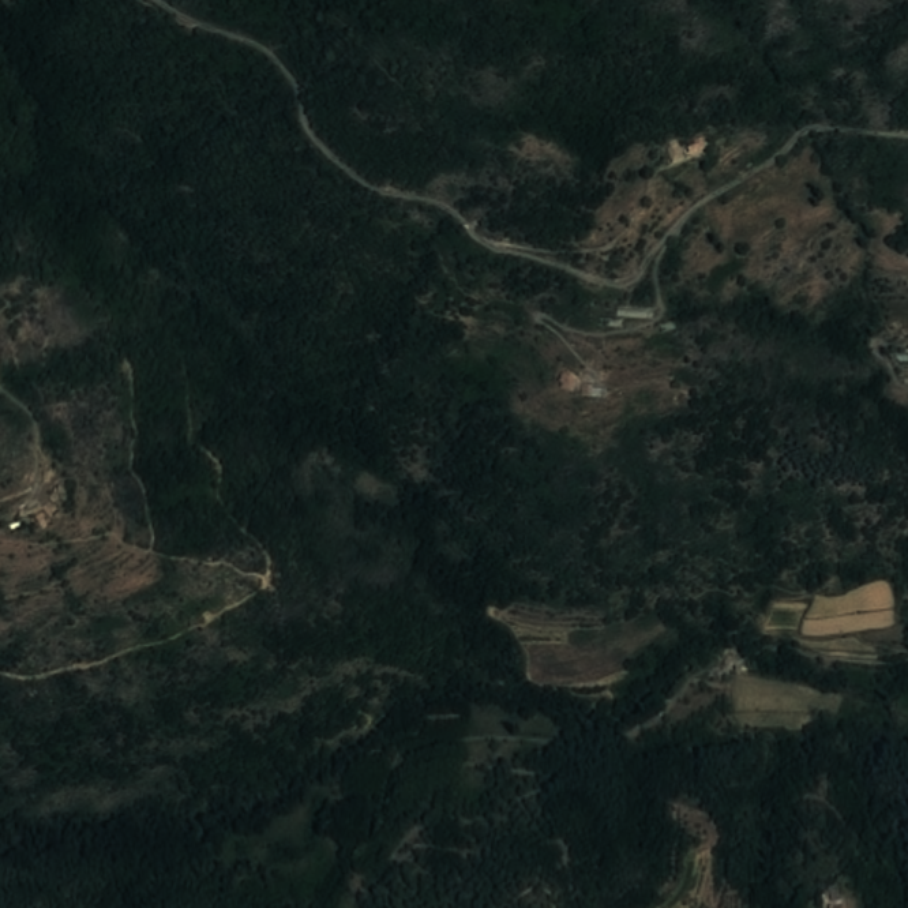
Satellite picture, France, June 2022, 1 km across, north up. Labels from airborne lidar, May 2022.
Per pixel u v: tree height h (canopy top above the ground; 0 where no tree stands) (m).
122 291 14
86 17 9
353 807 14
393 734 13
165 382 7
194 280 6
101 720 9
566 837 9
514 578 9
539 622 0
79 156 21
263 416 13
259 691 7
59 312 0
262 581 0
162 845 14
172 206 13
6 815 8
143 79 9
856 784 12
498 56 8
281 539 8
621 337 0
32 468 0
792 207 0
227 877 17
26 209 8
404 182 10
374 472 11
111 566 0
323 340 12
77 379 11
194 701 7
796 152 10
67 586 9
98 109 9
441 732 9
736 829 9
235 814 12
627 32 9
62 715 6
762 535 18
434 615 7
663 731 9
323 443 11
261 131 8
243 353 22
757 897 21
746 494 10
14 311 8
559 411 0
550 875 10
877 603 0
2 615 7
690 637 17
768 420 10
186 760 8
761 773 11
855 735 19
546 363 0
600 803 24
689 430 8
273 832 0
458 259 11
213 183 11
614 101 11
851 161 10
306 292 14
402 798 17
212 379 7
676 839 7
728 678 9
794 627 0
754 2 9
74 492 9
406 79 10
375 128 8
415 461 8
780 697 0
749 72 7
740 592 8
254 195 12
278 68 8
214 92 6
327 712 12
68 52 12
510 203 5
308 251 10
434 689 14
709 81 14
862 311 7
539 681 0
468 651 14
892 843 26
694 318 10
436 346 7
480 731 0
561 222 13
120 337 6
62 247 9
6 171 13
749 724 7
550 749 10
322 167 10
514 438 11
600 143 15
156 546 5
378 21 10
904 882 6
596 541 9
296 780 22
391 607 6
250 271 11
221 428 8
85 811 7
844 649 0
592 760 25
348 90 11
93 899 13
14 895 17
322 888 8
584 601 10
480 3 7
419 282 10
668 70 13
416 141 10
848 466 14
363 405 12
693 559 7
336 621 10
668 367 0
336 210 10
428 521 19
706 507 10
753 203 0
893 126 9
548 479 8
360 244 12
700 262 0
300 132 9
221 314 6
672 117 10
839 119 9
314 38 11
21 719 6
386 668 10
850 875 13
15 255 7
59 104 17
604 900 7
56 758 9
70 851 21
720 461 8
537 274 9
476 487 12
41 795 9
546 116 15
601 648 0
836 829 11
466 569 14
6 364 0
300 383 7
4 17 12
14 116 11
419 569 19
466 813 10
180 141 12
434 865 15
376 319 15
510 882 12
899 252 12
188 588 0
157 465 11
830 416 6
